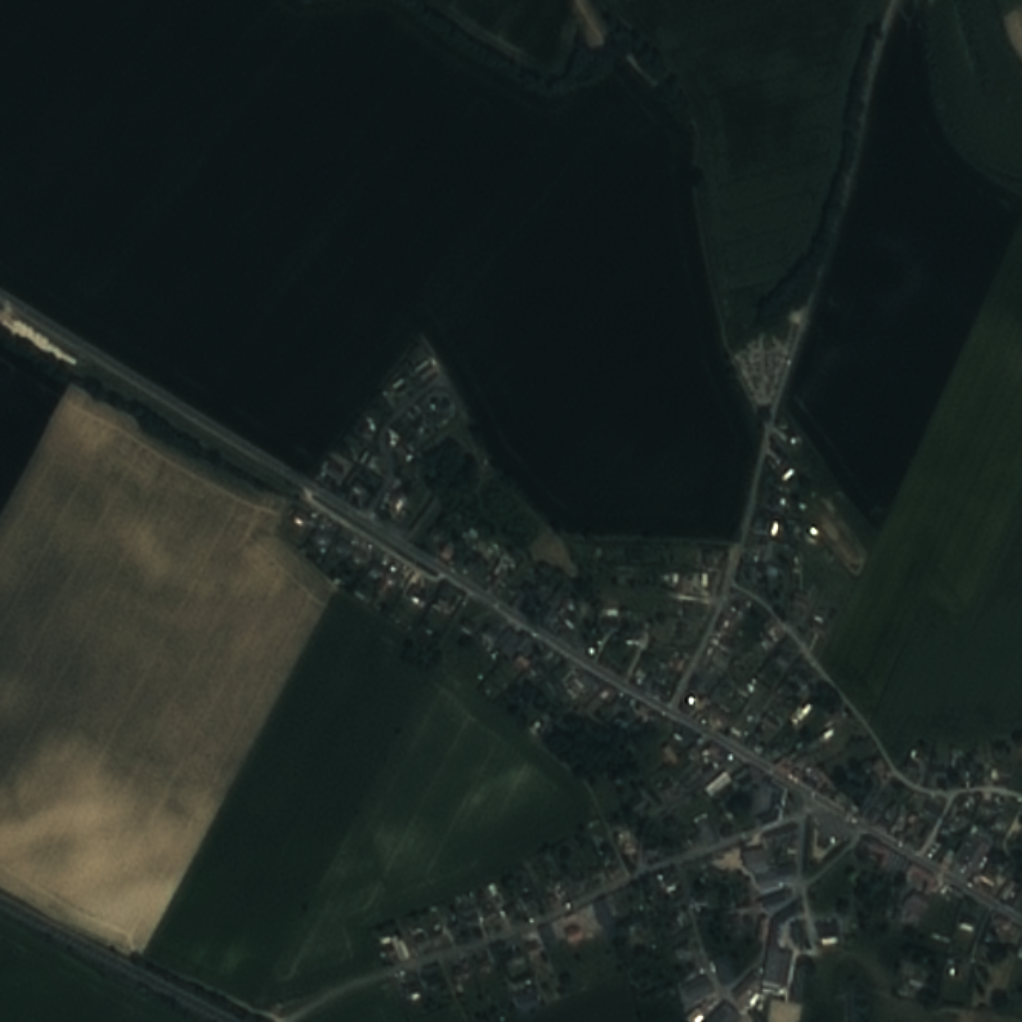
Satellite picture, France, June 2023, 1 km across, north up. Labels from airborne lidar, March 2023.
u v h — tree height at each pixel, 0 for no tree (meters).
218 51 0
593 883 0
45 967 0
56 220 0
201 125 0
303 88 0
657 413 0
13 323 0
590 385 0
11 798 0
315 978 0
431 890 0
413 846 0
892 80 0
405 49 0
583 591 13
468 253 0
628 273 0
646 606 0
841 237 0
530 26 0
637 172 0
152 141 0
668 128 0
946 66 0
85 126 0
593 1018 0
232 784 0
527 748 0
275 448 0
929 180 0
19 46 0
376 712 0
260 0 0
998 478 0
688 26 0
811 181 0
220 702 0
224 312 0
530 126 0
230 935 0
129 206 0
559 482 0
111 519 0
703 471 0
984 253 0
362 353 0
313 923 0
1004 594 0
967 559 0
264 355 0
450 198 0
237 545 0
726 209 0
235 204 0
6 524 0
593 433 0
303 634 0
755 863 0
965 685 0
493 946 7
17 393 0
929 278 0
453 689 0
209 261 0
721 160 0
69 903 0
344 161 0
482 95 0
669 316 0
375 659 0
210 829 0
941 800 0
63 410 0
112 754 0
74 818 0
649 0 0
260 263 0
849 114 14
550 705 7
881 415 0
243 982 0
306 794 0
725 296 0
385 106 0
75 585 0
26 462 0
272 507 0
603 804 0
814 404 0
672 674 0
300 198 0
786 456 6
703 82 0
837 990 0
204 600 0
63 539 0
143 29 0
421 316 0
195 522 0
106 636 0
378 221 0
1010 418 0
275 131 0
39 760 0
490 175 0
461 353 0
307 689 0
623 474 0
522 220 0
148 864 0
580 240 0
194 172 0
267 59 0
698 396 0
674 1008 0
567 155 0
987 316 0
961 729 0
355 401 0
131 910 0
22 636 0
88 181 0
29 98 0
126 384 0
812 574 0
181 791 0
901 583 0
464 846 0
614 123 0
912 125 0
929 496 0
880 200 0
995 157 0
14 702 0
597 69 16
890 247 0
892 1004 0
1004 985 0
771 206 0
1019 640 0
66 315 0
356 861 0
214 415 0
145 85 0
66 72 0
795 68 0
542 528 0
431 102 0
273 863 0
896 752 0
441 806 0
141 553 0
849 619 0
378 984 0
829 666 0
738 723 0
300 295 0
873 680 0
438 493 7
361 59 0
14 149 0
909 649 0
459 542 14
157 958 0
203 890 0
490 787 0
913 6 0
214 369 0
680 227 0
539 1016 0
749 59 0
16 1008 0
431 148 0
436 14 12
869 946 0
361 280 0
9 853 0
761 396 0
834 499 0
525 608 7
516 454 0
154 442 0
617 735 16
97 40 0
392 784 0
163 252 0
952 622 0
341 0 0
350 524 0
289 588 0
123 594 0
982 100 0
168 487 0
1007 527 0
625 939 6
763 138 0
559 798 0
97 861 0
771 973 0
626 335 0
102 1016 0
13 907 0
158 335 0
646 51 13
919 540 0
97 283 0
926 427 0
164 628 0
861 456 0
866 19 0
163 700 0
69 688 0
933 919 0
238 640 0
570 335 0
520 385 0
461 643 8
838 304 0
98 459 0
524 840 0
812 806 0
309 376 0
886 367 0
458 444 9
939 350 0
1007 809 0
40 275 0
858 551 0
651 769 0
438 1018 0
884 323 0
